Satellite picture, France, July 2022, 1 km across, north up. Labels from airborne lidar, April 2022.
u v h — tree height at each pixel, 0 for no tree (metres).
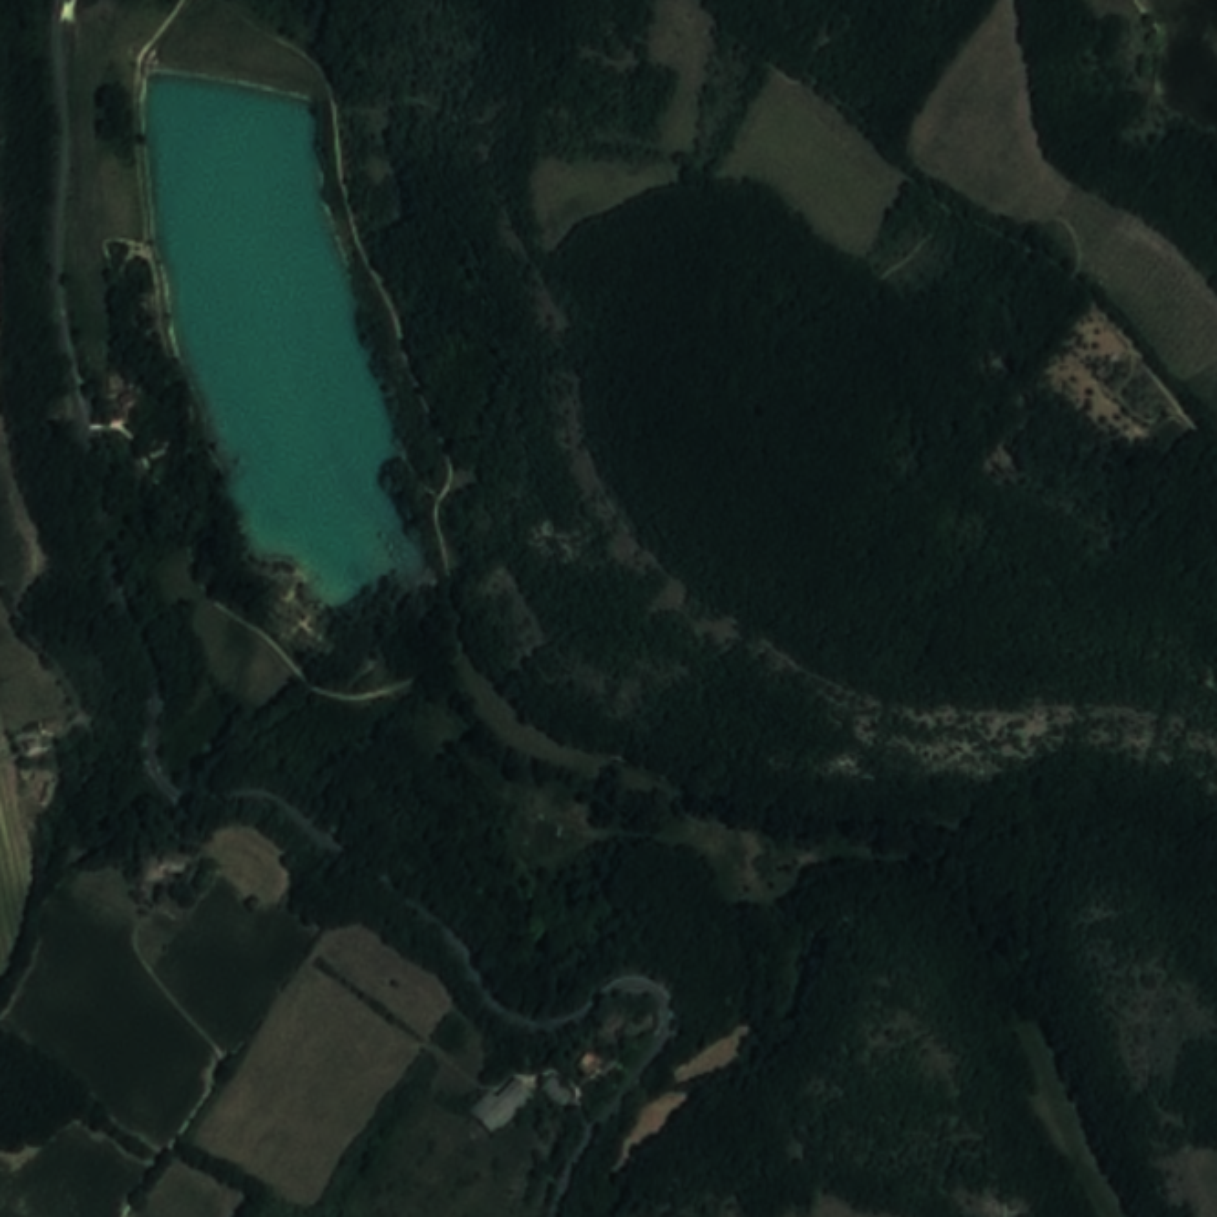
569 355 8
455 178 10
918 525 14
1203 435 11
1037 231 16
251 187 0
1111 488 17
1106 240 0
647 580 6
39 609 9
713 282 17
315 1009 0
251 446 0
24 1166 0
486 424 12
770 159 0
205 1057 0
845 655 10
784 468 16
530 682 12
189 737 0
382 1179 0
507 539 7
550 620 7
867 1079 6
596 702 7
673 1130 12
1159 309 0
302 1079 0
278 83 0
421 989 0
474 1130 0
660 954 17
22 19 21
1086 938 6
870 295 15
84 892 0
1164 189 12
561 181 0
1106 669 11
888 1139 9
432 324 13
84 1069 0
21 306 13
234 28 0
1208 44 0
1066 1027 17
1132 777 16
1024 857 20
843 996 10
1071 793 19
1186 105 0
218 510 6
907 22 12
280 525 0
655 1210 9
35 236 17
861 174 0
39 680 0
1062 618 11
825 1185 6
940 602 12
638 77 9
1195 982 8
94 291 0
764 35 12
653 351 15
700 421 19
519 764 18
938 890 16
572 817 0
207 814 18
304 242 0
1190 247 10
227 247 0
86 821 19
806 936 5
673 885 19
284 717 12
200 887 14
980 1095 11
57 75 0
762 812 15
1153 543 19
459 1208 0
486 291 20
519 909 20
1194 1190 0
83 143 0
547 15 6
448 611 6
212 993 0
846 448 13
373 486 0
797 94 0
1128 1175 13
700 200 14
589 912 16
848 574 14
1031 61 10
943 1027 7
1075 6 16
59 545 13
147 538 10
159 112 0
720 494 15
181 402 17
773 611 11
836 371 16
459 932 18
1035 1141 19
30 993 0
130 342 12
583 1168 9
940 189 10
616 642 10
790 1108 9
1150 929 10
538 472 7
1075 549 16
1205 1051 9
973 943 20
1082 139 14
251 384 0
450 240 23
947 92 0
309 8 7
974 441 20
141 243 0
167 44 0
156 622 14
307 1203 0
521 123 8
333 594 0
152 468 6
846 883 19
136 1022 0
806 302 11
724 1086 15
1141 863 18
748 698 17
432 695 11
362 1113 0
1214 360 0
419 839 22
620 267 12
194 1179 0
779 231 13
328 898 19
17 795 0
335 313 0
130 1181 0
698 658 11
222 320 0
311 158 0
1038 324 15
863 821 21
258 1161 0
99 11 0
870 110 8
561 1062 12
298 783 19
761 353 14
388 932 10
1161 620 12
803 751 9
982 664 12
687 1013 11
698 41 0
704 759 7
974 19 13
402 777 23
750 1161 14
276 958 0
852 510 16
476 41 8
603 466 8
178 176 0
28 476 10
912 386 19
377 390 0
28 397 13
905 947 10
